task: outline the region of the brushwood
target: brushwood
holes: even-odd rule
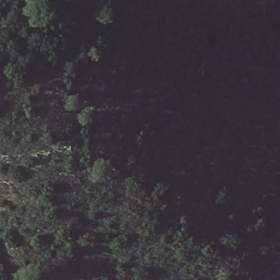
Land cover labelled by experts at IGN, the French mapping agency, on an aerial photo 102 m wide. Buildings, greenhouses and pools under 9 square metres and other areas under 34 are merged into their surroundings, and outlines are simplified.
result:
[[[31,112],[30,96],[39,93],[38,84],[23,87],[20,84],[5,93],[4,100],[13,108],[0,118],[0,153],[9,155],[9,167],[16,171],[19,166],[27,167],[33,163],[35,156],[32,156],[32,153],[46,151],[52,143],[47,131],[47,118],[35,116]]]
[[[7,248],[0,238],[0,280],[12,280],[20,267],[10,261]]]
[[[91,182],[90,174],[86,170],[91,167],[90,126],[87,124],[81,126],[80,131],[83,147],[77,148],[77,144],[74,144],[71,147],[70,172],[56,172],[58,182],[49,183],[54,190],[46,199],[54,206],[55,214],[49,221],[44,219],[45,207],[37,207],[36,198],[28,192],[30,186],[25,182],[19,183],[19,179],[9,180],[7,175],[0,171],[0,207],[5,208],[5,211],[1,212],[4,226],[8,226],[9,217],[15,218],[15,230],[26,240],[21,246],[24,249],[22,258],[25,264],[40,265],[37,280],[219,280],[220,269],[229,275],[232,269],[241,267],[240,259],[220,256],[219,250],[209,245],[202,248],[192,244],[186,222],[180,223],[179,231],[176,227],[171,227],[162,235],[156,233],[156,212],[159,209],[165,210],[166,205],[159,198],[153,200],[152,194],[144,194],[143,173],[128,177],[108,160],[104,160],[105,170],[108,168],[110,179],[107,182]],[[71,230],[72,256],[65,260],[59,260],[57,257],[58,249],[65,247],[65,244],[55,238],[59,229]]]

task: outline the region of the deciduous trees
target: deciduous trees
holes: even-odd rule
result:
[[[144,194],[152,194],[153,200],[159,198],[166,205],[165,210],[159,209],[156,212],[156,233],[162,235],[171,227],[176,227],[179,231],[180,223],[186,222],[192,244],[202,248],[209,245],[219,250],[220,256],[240,259],[241,267],[232,269],[229,275],[220,269],[219,280],[280,280],[280,0],[0,0],[0,118],[13,108],[4,100],[5,93],[20,84],[23,87],[38,84],[39,93],[30,96],[31,112],[35,116],[47,118],[47,131],[52,143],[46,151],[32,153],[32,156],[35,156],[33,163],[27,167],[19,166],[16,171],[9,167],[9,155],[0,153],[0,171],[7,175],[9,180],[19,179],[19,183],[25,182],[30,186],[28,192],[36,198],[37,207],[45,207],[44,219],[49,221],[55,214],[54,206],[46,199],[54,190],[49,183],[58,182],[56,172],[70,172],[71,147],[74,144],[77,144],[77,148],[83,147],[80,131],[81,126],[87,124],[90,126],[91,167],[86,170],[90,174],[91,182],[107,182],[110,179],[108,168],[105,170],[104,160],[108,160],[128,177],[143,173]]]
[[[15,218],[9,217],[8,226],[4,226],[1,212],[5,211],[5,208],[0,207],[0,238],[7,248],[10,261],[20,267],[12,280],[37,280],[40,265],[25,264],[22,258],[24,249],[21,246],[26,240],[15,230]]]
[[[59,229],[55,238],[65,244],[65,247],[58,249],[57,257],[59,260],[65,260],[72,256],[71,230]]]

